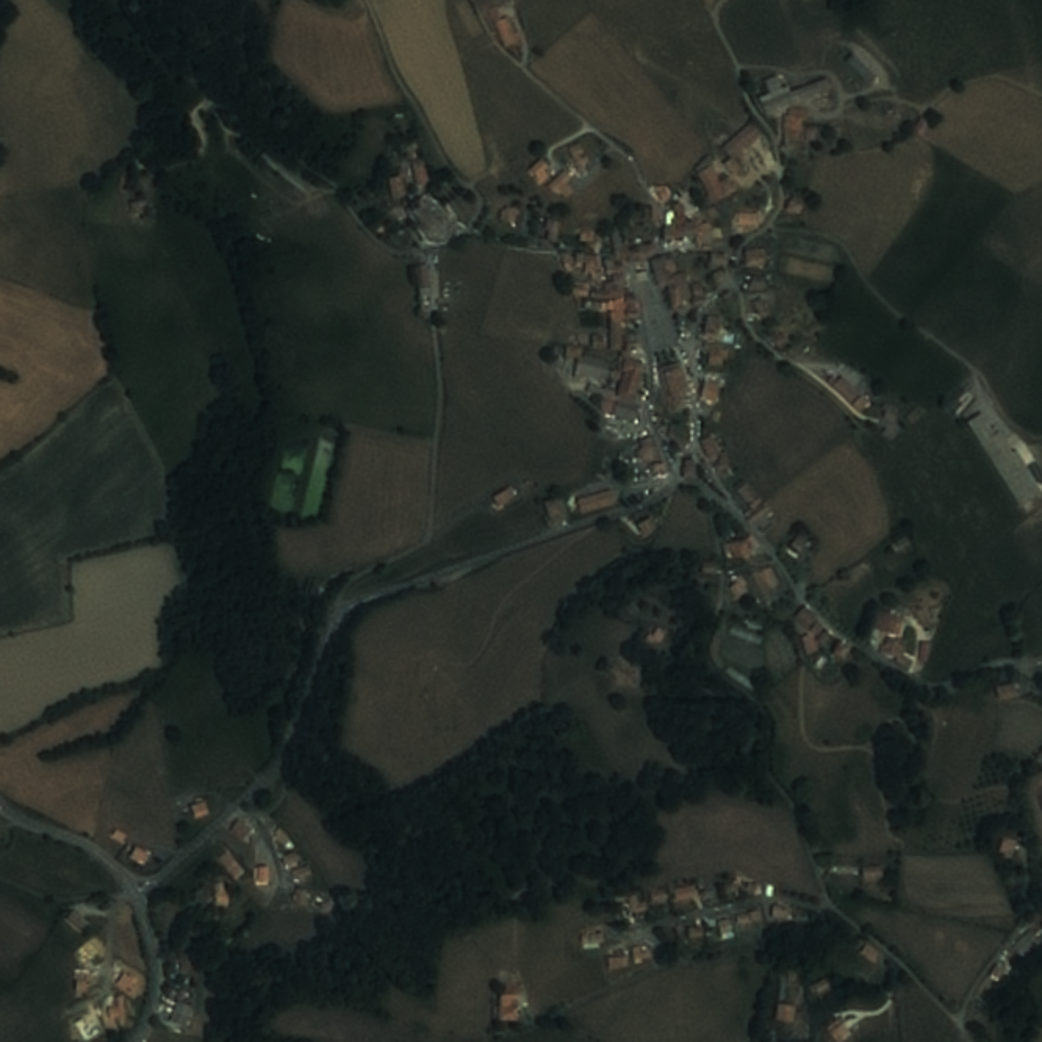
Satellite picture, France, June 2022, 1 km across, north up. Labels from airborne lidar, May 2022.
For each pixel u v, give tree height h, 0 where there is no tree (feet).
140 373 0
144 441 0
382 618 0
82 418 0
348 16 0
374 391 0
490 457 0
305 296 0
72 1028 0
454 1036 0
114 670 0
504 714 0
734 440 0
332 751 51
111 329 43
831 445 0
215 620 57
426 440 0
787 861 0
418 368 0
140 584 0
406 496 0
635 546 0
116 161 25
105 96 0
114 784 0
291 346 0
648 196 0
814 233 0
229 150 0
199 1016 0
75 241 0
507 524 0
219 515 54
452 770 40
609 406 0
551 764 70
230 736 0
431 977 61
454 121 0
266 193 0
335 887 0
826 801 0
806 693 0
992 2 0
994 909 0
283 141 56
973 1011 0
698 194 34
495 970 0
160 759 0
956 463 0
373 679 0
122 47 45
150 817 0
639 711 0
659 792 64
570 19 0
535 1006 0
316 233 0
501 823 69
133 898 0
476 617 0
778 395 0
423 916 79
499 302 0
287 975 82
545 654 0
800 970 43
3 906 0
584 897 0
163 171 25
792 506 0
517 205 28
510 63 0
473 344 0
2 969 0
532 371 0
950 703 62
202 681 0
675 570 24
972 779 0
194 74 50
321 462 0
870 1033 0
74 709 29
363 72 0
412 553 0
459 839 69
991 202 0
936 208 0
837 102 0
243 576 74
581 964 0
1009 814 31
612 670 49
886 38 0
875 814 0
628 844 66
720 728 68
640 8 0
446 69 0
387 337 0
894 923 0
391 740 0
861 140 0
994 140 0
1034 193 0
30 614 0
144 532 0
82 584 0
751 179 0
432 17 0
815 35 0
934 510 0
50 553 0
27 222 0
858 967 0
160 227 0
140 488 0
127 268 0
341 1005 53
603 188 0
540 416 0
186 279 0
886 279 0
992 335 0
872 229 0
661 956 59
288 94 66
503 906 42
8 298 0
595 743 0
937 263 0
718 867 0
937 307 0
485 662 0
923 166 0
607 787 66
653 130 0
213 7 69
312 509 0
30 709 0
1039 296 0
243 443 59
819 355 0
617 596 40
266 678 41
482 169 0
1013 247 0
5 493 0
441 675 0
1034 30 0
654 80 0
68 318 0
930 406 0
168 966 28
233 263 34
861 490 0
